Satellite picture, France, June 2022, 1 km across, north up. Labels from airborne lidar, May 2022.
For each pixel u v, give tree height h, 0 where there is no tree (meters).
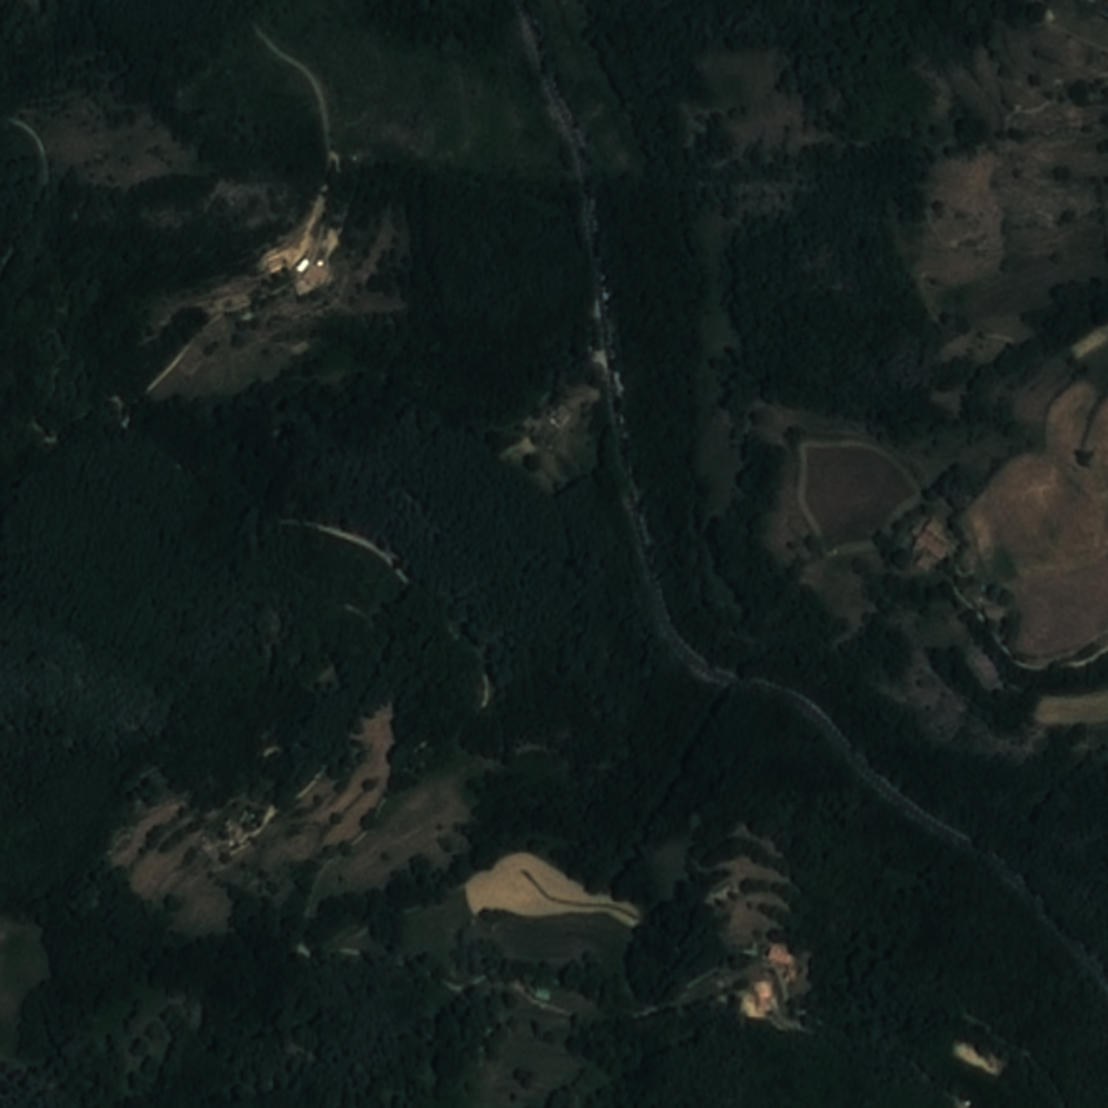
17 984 0
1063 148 0
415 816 0
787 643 16
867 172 9
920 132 7
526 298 21
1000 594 14
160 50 18
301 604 17
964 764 17
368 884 0
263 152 11
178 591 24
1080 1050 19
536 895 0
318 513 21
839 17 11
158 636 20
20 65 15
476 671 24
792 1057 16
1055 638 0
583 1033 13
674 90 19
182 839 9
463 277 16
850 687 17
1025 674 10
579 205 25
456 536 33
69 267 21
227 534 20
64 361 15
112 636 21
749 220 9
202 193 9
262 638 20
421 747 18
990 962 14
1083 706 0
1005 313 0
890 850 25
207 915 0
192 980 26
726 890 0
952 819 21
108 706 9
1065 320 19
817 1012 17
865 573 17
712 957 18
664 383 22
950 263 0
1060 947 23
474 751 14
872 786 10
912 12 16
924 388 17
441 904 12
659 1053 9
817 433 0
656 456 19
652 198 21
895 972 22
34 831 14
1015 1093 13
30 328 17
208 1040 23
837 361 12
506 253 19
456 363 14
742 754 19
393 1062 22
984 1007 17
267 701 19
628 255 20
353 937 0
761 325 15
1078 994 16
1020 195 0
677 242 24
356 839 0
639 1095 25
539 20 17
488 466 27
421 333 17
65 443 17
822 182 11
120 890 21
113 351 11
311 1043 19
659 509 21
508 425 11
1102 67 0
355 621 22
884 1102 18
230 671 23
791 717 15
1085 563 0
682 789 15
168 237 11
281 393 18
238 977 27
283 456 24
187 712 16
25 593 19
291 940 21
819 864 19
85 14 13
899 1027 18
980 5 14
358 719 27
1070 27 0
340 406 18
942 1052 14
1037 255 0
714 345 0
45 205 13
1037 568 0
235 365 0
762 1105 18
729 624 14
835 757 23
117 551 20
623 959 0
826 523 0
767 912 12
